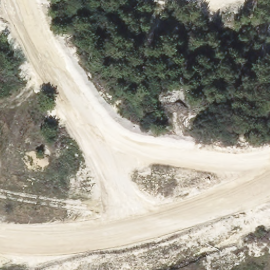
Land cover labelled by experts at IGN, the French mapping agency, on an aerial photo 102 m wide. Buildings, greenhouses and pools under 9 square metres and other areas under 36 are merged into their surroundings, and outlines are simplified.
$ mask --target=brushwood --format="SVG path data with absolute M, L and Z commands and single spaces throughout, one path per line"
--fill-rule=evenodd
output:
M 37 93 L 39 111 L 47 117 L 50 116 L 47 115 L 47 111 L 55 108 L 55 100 L 47 97 L 41 90 Z

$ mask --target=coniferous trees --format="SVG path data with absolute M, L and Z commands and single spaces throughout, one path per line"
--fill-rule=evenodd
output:
M 154 137 L 167 135 L 173 128 L 174 113 L 187 116 L 193 114 L 195 117 L 191 122 L 194 126 L 204 130 L 215 142 L 223 143 L 224 147 L 233 147 L 240 136 L 244 136 L 250 146 L 255 148 L 270 144 L 270 0 L 246 0 L 237 14 L 234 14 L 227 9 L 215 13 L 210 11 L 206 0 L 50 0 L 47 16 L 52 18 L 51 31 L 54 35 L 72 36 L 71 42 L 76 47 L 78 63 L 85 73 L 91 73 L 92 76 L 88 79 L 94 84 L 95 89 L 98 92 L 110 93 L 117 100 L 121 100 L 117 107 L 118 114 L 138 124 L 142 132 L 150 130 Z

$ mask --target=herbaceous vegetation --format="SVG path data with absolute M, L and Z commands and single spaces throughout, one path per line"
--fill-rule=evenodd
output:
M 26 85 L 26 80 L 20 77 L 20 65 L 24 63 L 25 57 L 15 57 L 13 46 L 8 41 L 0 40 L 0 98 L 11 96 L 12 91 L 19 93 Z
M 245 262 L 231 270 L 270 270 L 270 253 L 265 248 L 262 250 L 264 255 L 245 258 Z
M 202 261 L 207 257 L 207 253 L 204 252 L 194 256 L 194 259 L 182 258 L 174 265 L 165 265 L 161 269 L 153 270 L 207 270 L 202 265 Z
M 6 190 L 66 199 L 70 189 L 70 175 L 77 173 L 84 157 L 77 141 L 59 123 L 53 129 L 40 128 L 47 117 L 39 111 L 37 93 L 28 97 L 20 107 L 0 111 L 0 153 L 5 152 L 7 143 L 14 143 L 15 148 L 22 149 L 25 153 L 36 152 L 40 146 L 49 146 L 49 165 L 44 167 L 43 171 L 27 170 L 17 173 L 17 179 L 24 182 L 26 187 L 8 186 Z
M 264 243 L 270 244 L 270 229 L 258 226 L 254 232 L 243 236 L 243 242 L 246 244 L 256 243 L 257 247 Z

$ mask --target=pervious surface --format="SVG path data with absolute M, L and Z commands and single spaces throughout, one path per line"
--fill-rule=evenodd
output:
M 234 14 L 237 14 L 246 0 L 206 0 L 210 11 L 215 13 L 227 9 Z
M 154 137 L 150 130 L 142 132 L 138 124 L 118 114 L 117 107 L 121 100 L 117 100 L 110 93 L 98 92 L 95 89 L 94 84 L 88 79 L 92 76 L 91 73 L 85 73 L 78 63 L 76 47 L 71 42 L 72 36 L 54 35 L 51 31 L 52 18 L 47 16 L 50 0 L 0 0 L 0 40 L 8 41 L 13 46 L 15 57 L 25 57 L 24 63 L 20 65 L 20 77 L 26 80 L 26 85 L 19 93 L 12 91 L 11 96 L 0 98 L 0 111 L 20 107 L 28 97 L 37 93 L 41 90 L 47 97 L 55 100 L 55 108 L 47 111 L 47 115 L 50 116 L 47 117 L 40 128 L 53 129 L 59 123 L 77 141 L 84 157 L 77 173 L 70 175 L 70 189 L 66 199 L 6 190 L 8 186 L 26 187 L 24 182 L 17 179 L 17 173 L 27 170 L 43 171 L 44 167 L 49 165 L 49 146 L 40 146 L 36 152 L 25 153 L 22 149 L 15 148 L 14 143 L 7 143 L 5 152 L 0 153 L 0 270 L 153 270 L 161 269 L 165 265 L 174 265 L 182 258 L 194 259 L 194 256 L 204 252 L 207 253 L 207 257 L 202 261 L 202 265 L 207 270 L 231 270 L 245 262 L 245 258 L 264 255 L 262 250 L 265 248 L 270 253 L 270 244 L 264 243 L 257 247 L 256 243 L 246 244 L 243 242 L 243 236 L 254 232 L 258 226 L 270 229 L 270 144 L 255 148 L 250 146 L 244 136 L 240 136 L 233 147 L 224 147 L 223 143 L 215 142 L 204 130 L 194 126 L 191 122 L 195 117 L 193 114 L 187 116 L 174 113 L 173 128 L 167 135 Z

